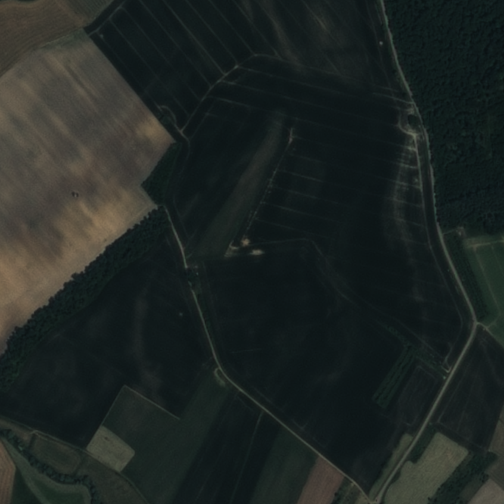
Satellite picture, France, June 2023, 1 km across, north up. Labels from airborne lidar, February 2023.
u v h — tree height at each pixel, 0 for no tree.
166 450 0
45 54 0
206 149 0
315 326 0
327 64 0
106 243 0
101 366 0
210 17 0
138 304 0
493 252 0
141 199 0
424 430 0
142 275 0
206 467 0
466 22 26
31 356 0
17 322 0
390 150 0
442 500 0
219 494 0
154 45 0
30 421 0
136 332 0
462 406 0
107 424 0
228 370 0
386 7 10
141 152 0
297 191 0
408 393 0
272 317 0
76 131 0
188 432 0
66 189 0
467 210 17
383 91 0
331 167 0
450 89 21
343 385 0
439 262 0
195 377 0
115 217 0
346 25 0
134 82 0
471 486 0
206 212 0
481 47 16
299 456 0
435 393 0
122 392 0
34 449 0
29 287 0
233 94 0
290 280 0
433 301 0
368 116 0
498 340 0
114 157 0
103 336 0
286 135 0
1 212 0
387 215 0
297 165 0
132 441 0
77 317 0
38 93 0
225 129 0
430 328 0
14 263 0
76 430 0
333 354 0
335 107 0
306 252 0
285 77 0
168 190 0
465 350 0
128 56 0
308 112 0
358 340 0
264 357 0
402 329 0
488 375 0
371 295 0
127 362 0
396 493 0
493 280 0
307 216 0
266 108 0
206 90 0
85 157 0
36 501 0
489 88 26
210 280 0
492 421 0
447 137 21
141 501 0
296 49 0
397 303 0
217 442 0
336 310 0
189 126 0
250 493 0
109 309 0
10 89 0
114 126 0
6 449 0
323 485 0
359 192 0
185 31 0
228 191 0
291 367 0
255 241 0
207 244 0
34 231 0
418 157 0
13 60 0
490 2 25
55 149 0
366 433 0
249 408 0
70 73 0
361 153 0
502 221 16
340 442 0
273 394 0
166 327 0
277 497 0
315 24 0
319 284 0
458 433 0
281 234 0
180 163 0
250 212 0
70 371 0
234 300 0
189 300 0
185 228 0
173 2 0
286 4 0
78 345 0
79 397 0
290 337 0
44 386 0
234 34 0
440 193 13
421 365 0
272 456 0
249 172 0
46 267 0
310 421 0
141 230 15
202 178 0
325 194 0
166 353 0
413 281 0
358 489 0
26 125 0
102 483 0
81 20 0
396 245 0
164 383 0
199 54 0
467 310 0
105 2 0
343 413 0
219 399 0
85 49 0
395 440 0
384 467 10
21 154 0
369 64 0
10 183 0
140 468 0
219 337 0
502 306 0
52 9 0
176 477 0
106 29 0
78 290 18
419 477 0
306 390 0
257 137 0
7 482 0
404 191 0
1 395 0
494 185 12
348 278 0
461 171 7
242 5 0
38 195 0
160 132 0
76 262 0
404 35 17
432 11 23
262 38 0
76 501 0
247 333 0
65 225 0
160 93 0
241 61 0
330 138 0
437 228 0
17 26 0
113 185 0
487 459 6
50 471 8
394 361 0
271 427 0
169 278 0
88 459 0
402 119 0
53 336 0
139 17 0
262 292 0
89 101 0
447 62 17
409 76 10
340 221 0
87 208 0
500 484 0
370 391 0
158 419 0
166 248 0
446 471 0
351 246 0
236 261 0
